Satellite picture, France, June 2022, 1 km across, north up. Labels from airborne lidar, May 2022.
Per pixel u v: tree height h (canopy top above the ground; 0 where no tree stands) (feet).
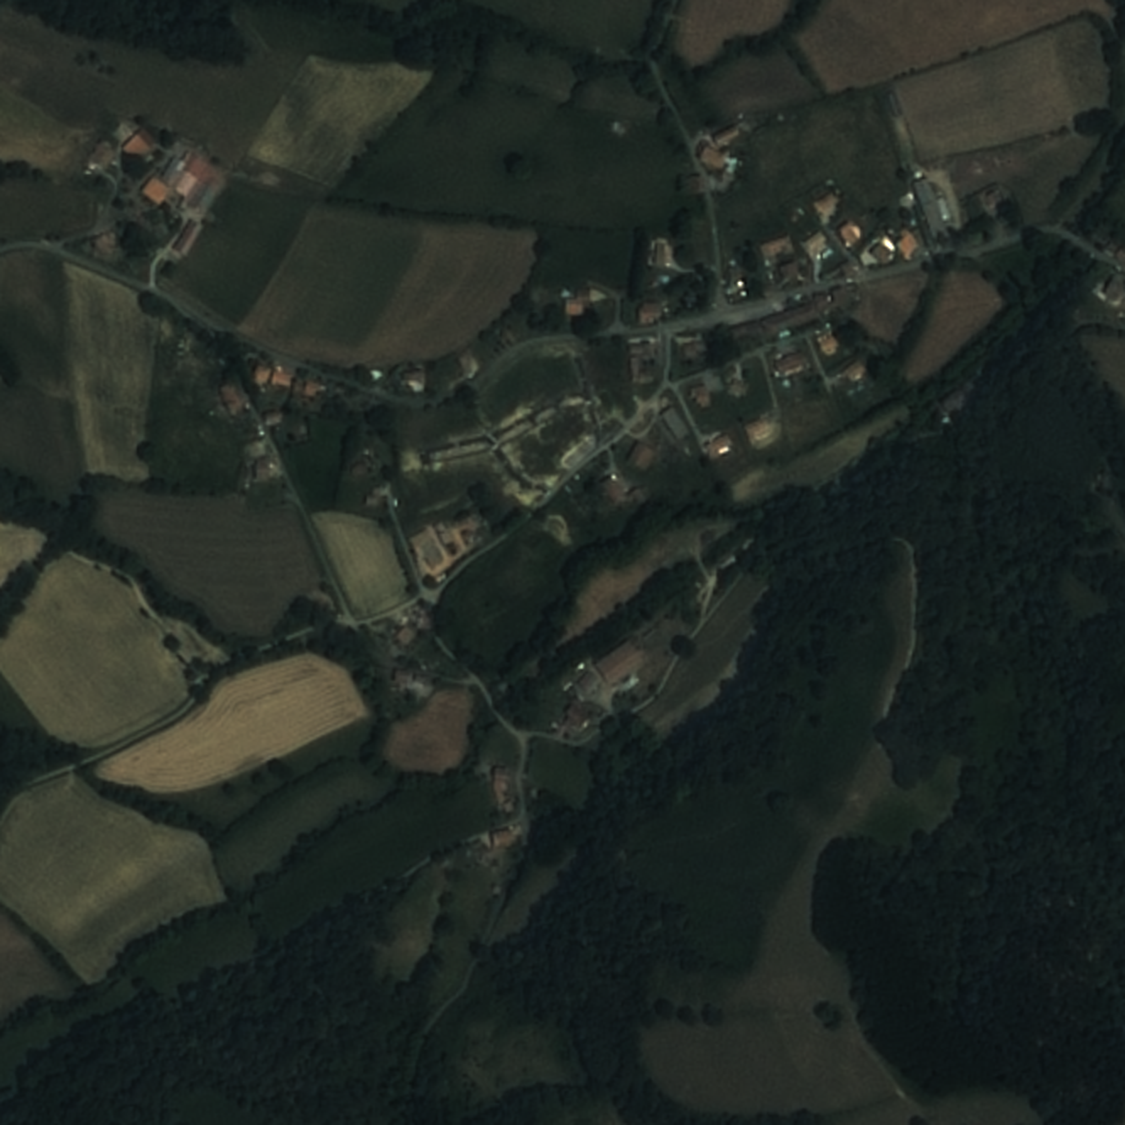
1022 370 72
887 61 0
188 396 0
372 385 22
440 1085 71
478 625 0
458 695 0
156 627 0
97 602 0
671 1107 48
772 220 0
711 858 0
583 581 53
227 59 78
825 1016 50
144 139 0
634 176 0
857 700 0
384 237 0
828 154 0
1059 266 34
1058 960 70
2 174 51
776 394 0
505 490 0
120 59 0
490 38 41
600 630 39
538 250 31
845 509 58
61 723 0
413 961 0
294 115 0
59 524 67
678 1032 0
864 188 0
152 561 0
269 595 0
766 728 61
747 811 0
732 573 40
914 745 62
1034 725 32
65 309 0
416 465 0
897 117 0
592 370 0
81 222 0
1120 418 74
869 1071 0
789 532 32
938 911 71
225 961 0
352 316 0
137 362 0
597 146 0
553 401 0
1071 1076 89
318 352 0
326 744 0
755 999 0
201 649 0
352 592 0
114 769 0
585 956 75
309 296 0
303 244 0
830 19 0
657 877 0
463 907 0
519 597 0
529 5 0
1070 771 77
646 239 48
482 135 0
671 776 63
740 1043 0
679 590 24
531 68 0
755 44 54
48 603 0
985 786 49
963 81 0
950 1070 82
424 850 0
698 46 0
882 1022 79
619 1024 59
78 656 0
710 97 0
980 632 78
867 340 26
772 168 0
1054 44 0
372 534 0
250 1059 55
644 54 26
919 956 77
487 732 18
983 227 31
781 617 66
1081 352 33
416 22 78
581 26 0
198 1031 34
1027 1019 82
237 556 0
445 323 0
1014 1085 59
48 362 0
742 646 0
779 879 0
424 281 0
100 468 0
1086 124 63
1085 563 33
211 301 0
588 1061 71
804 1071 0
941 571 72
